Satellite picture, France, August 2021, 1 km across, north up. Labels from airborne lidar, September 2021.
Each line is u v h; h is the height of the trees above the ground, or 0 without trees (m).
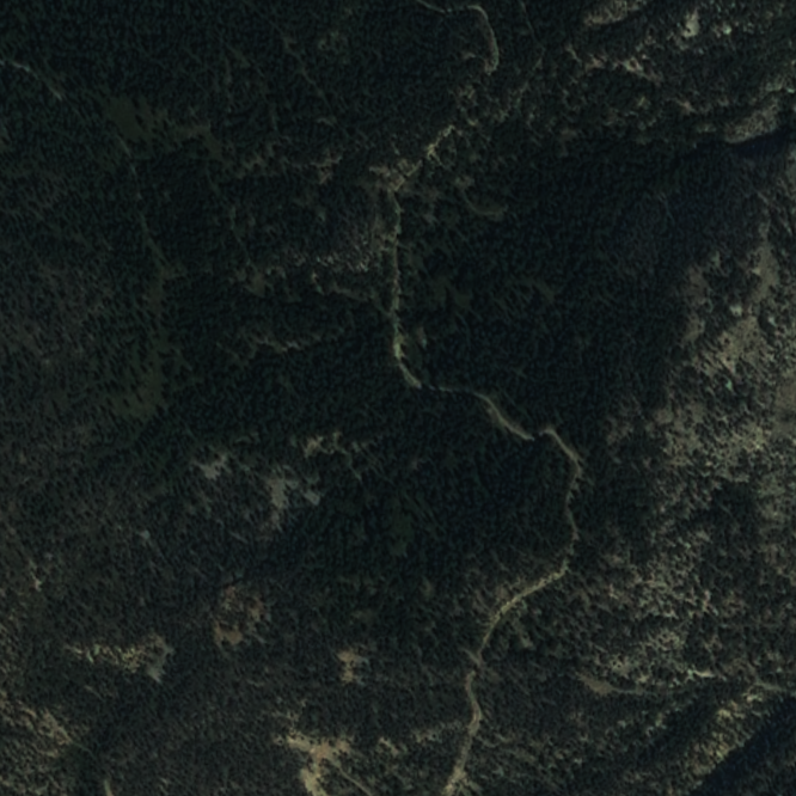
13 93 27
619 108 16
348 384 18
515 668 14
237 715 10
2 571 15
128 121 0
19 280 15
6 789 12
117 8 9
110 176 10
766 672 15
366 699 14
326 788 13
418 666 19
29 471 18
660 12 9
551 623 29
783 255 19
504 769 17
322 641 18
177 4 17
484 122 18
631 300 14
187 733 14
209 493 15
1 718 9
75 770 6
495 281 17
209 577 10
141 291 11
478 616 18
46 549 11
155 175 10
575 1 18
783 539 10
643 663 11
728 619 6
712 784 9
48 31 11
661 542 9
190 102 8
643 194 15
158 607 15
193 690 10
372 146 13
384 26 17
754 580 19
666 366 15
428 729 8
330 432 13
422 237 9
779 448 8
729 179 14
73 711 15
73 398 11
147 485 12
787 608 10
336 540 19
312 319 23
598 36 17
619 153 21
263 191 12
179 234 15
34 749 10
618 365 12
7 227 9
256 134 17
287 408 16
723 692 7
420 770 10
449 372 14
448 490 16
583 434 8
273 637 14
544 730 15
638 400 11
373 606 15
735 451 7
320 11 18
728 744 9
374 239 10
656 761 12
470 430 20
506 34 17
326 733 10
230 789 12
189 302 15
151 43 14
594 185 23
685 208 11
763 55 7
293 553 13
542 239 19
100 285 17
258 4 12
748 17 23
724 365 7
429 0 13
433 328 16
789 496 7
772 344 10
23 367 16
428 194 6
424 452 17
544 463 14
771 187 10
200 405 10
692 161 23
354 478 21
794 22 10
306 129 20
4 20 11
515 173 17
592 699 11
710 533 11
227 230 16
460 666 15
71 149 20
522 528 21
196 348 19
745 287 15
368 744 14
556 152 20
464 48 11
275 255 8
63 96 0
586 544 14
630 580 10
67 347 20
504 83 14
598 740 14
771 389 7
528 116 17
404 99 16
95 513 13
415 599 23
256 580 10
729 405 11
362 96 13
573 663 13
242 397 13
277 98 14
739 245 10
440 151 10
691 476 10
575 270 17
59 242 7
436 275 24
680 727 23
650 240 10
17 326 15
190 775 10
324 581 20
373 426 8
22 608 14
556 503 22
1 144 0
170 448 20
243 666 17
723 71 8
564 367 15
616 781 11
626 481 20
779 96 15
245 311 10
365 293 11
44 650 9
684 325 14
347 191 19
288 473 7
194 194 13
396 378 14
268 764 15
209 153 19
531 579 18
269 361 16
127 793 12
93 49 16
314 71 19
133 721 16
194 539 12
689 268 11
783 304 10
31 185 11
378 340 11
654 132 20
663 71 16
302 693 11
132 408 22
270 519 16
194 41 18
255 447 11
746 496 11
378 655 10
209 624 15
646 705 7
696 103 18
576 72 21
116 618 13
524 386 12
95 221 22
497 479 23
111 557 14
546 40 15
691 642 19
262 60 17
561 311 16
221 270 14
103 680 8
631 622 15
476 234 19
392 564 22
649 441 19
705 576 20
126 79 21
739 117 20
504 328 16
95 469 7
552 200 10
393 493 19
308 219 19
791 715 18
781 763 15
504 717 10
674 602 10
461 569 13
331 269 11
